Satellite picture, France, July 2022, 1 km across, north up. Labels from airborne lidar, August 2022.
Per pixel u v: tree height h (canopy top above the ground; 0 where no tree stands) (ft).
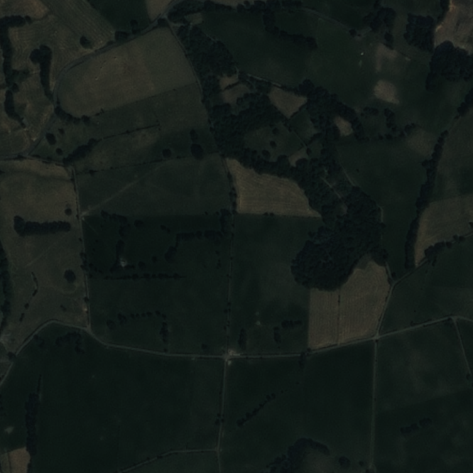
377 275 0
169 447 0
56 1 0
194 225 0
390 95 0
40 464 0
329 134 73
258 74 0
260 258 0
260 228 0
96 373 0
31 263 0
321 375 0
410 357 0
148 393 0
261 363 0
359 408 0
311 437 0
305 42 63
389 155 0
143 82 0
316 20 0
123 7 0
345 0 0
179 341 0
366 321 0
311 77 0
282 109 0
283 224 0
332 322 0
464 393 0
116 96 0
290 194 0
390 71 0
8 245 0
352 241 52
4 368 0
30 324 0
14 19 60
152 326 0
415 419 0
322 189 35
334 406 0
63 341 48
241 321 0
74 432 0
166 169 0
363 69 0
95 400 0
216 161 0
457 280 0
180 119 0
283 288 0
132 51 0
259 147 0
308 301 0
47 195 0
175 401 0
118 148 0
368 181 0
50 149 0
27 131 0
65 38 0
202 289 0
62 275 0
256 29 0
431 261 29
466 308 0
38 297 0
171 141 0
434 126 0
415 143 0
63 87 0
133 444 0
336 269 45
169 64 0
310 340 0
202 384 0
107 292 0
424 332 0
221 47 54
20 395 0
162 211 0
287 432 0
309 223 0
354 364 0
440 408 0
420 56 0
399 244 0
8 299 40
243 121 44
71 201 0
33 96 0
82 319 0
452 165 0
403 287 0
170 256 57
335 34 0
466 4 0
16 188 0
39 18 0
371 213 34
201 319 0
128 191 0
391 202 0
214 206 0
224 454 0
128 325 0
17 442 0
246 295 0
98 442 0
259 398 0
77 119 41
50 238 0
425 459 0
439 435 0
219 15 0
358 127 74
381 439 0
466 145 0
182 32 39
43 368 0
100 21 0
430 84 61
